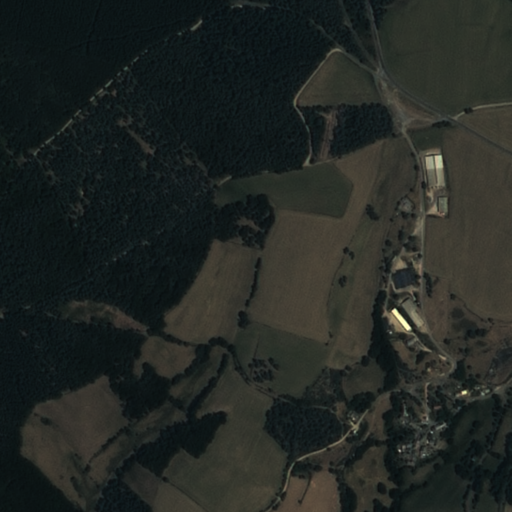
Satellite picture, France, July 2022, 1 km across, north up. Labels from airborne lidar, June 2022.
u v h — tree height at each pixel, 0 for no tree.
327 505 0
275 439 11
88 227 9
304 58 25
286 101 16
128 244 22
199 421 13
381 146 0
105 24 18
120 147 16
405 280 0
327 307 0
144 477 0
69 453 0
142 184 16
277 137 13
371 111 22
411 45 0
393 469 13
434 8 0
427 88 0
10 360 17
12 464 16
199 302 0
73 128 11
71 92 7
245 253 0
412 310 0
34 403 13
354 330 0
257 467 0
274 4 13
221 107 16
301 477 7
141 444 0
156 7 19
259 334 0
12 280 16
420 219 0
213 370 0
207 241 15
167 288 14
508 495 11
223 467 0
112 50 19
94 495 0
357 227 0
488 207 0
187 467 0
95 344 18
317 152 6
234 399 0
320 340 0
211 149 11
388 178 0
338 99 0
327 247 0
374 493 0
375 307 12
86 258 16
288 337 0
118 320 0
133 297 15
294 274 0
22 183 16
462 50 0
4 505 15
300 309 0
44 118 9
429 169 0
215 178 15
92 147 15
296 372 0
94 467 0
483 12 0
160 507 0
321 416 13
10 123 8
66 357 13
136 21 20
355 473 0
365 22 7
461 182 0
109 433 0
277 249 0
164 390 15
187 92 11
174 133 14
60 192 22
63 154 16
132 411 13
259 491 0
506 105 0
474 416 0
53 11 15
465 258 0
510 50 0
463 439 0
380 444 12
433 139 0
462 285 0
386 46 0
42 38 15
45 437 0
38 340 24
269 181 0
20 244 15
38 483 15
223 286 0
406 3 0
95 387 0
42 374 22
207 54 26
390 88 0
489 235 0
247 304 8
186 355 0
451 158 0
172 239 17
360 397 10
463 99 0
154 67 16
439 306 0
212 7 19
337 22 17
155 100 18
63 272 21
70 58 9
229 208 17
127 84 17
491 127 0
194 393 0
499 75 0
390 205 0
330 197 0
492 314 0
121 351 18
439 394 12
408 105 0
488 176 0
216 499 0
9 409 15
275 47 30
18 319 23
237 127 18
